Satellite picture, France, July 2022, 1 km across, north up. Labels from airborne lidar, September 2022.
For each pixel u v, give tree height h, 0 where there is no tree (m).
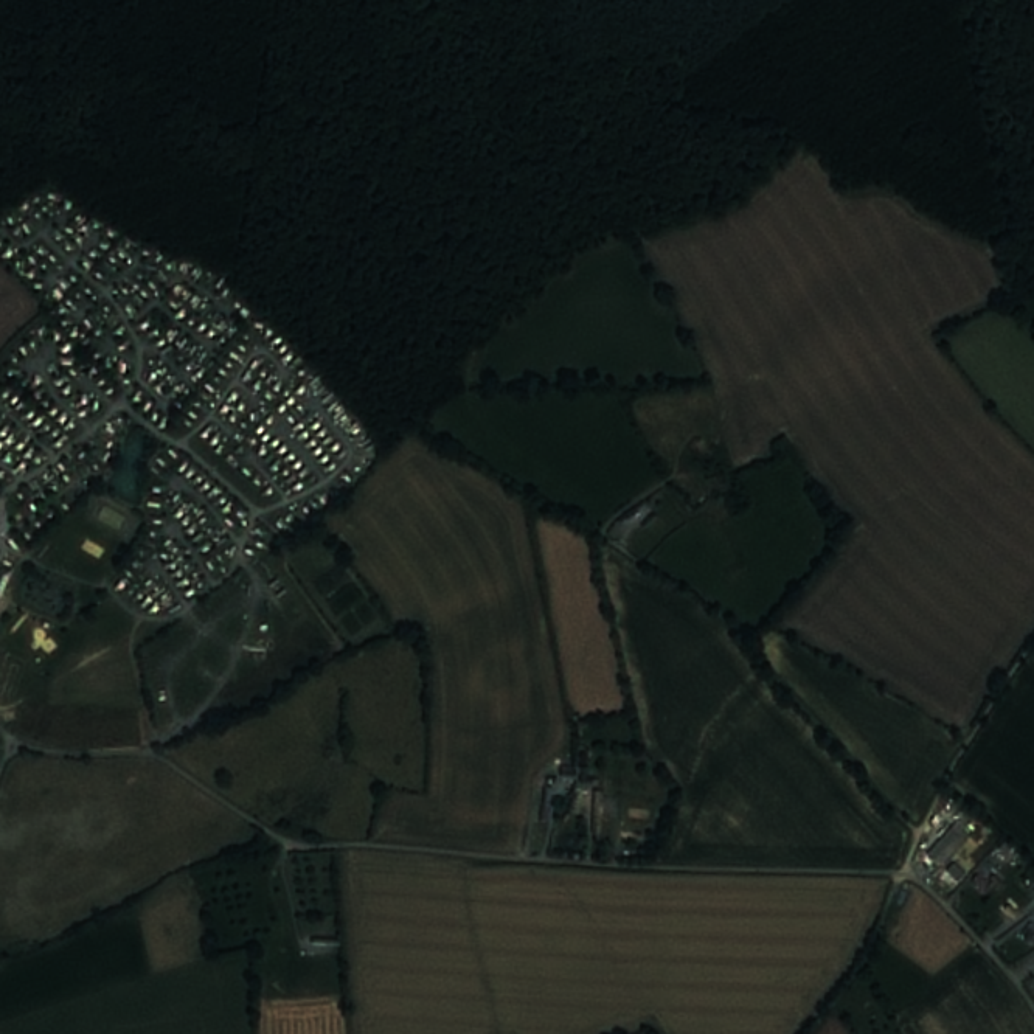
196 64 17
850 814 0
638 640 0
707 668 0
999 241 20
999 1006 0
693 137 24
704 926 0
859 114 11
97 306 6
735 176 25
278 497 0
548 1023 0
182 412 14
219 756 0
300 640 0
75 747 0
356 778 0
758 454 0
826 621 0
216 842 0
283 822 8
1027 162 24
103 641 0
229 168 22
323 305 23
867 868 0
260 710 16
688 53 20
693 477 0
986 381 0
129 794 0
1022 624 0
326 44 20
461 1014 0
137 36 18
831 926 0
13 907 0
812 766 0
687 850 0
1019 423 0
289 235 23
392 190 21
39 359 0
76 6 15
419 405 22
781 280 0
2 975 0
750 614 0
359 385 21
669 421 0
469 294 26
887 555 0
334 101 27
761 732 0
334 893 6
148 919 0
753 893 0
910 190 12
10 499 0
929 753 0
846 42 13
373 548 0
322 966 0
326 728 0
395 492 0
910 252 0
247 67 15
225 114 17
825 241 0
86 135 20
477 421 0
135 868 0
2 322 0
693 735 0
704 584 0
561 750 0
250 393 0
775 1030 0
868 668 0
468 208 24
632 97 23
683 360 0
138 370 0
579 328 0
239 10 17
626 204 21
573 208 24
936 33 12
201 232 16
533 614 0
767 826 0
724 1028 0
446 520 0
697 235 0
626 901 0
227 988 0
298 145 25
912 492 0
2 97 21
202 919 11
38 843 0
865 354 0
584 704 0
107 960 0
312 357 22
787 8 12
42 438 8
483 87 23
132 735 0
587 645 0
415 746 0
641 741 6
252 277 19
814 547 0
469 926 0
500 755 0
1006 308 20
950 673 0
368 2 22
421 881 0
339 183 24
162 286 8
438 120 22
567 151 24
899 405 0
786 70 11
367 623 0
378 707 0
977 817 12
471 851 0
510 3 20
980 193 12
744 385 0
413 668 0
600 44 19
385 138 22
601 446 0
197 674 0
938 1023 0
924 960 0
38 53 17
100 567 0
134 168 15
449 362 20
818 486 14
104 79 20
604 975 0
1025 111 24
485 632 0
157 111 13
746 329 0
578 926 0
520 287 20
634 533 0
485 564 0
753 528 0
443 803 0
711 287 0
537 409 0
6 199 15
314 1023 0
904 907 0
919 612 0
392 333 22
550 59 19
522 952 0
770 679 19
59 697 0
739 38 13
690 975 0
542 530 0
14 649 0
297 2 14
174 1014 0
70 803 0
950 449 0
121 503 0
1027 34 24
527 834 0
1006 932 0
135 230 13
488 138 24
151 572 0
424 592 0
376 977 0
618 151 21
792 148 17
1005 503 0
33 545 9
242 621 0
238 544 0
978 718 6
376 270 23
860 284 0
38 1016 0
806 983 0
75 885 0
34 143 17
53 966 0
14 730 0
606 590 8
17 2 16
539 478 0
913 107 12
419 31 19
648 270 16
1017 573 0
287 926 0
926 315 0
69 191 16
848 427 0
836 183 14
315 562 0
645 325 0
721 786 0
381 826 0
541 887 0
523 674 0
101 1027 0
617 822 0
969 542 0
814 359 0
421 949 0
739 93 13
